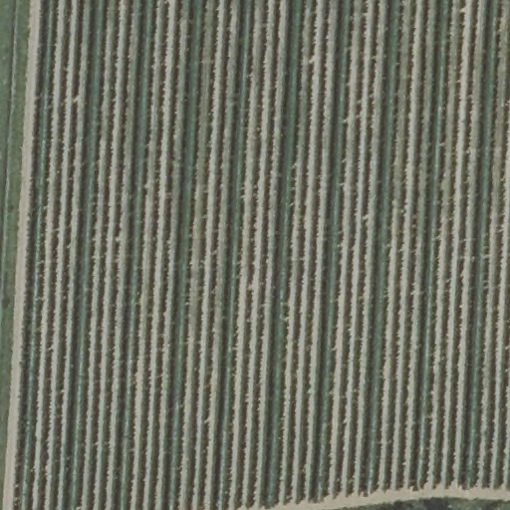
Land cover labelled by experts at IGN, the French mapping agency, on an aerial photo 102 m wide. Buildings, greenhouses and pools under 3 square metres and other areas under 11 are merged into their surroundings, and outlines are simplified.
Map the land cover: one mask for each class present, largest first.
<instances>
[{"label":"vineyard","instance_id":"1","mask_svg":"<svg viewBox=\"0 0 510 510\"><path fill-rule=\"evenodd\" d=\"M424 498H444L448 502V508L452 510H510V0H0V510H377L379 504Z\"/></svg>","mask_w":510,"mask_h":510},{"label":"herbaceous vegetation","instance_id":"2","mask_svg":"<svg viewBox=\"0 0 510 510\"><path fill-rule=\"evenodd\" d=\"M377 510H452L448 508V502L444 498H424L379 504Z\"/></svg>","mask_w":510,"mask_h":510}]
</instances>
